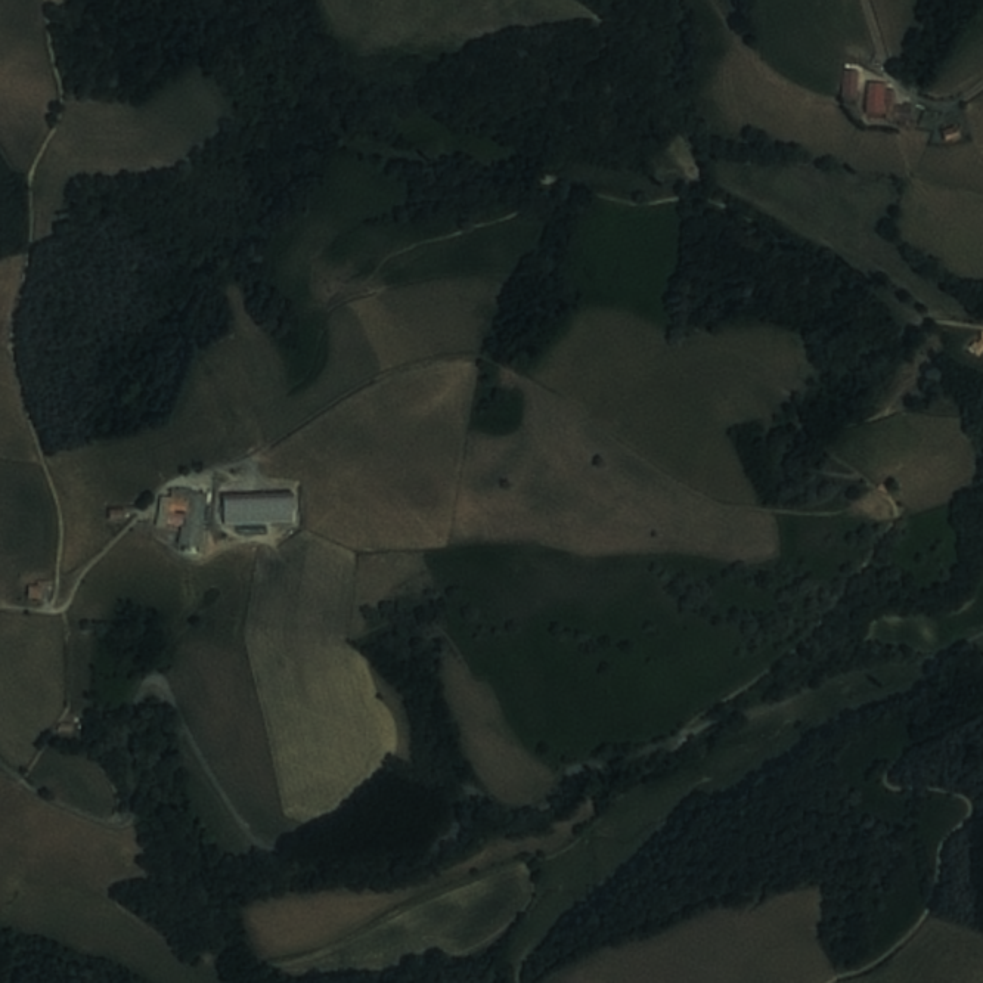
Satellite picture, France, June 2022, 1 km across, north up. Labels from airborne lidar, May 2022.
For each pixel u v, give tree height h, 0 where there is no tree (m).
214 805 0
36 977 11
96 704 10
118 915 0
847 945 19
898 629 0
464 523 0
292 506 0
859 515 0
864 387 16
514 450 0
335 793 0
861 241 0
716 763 0
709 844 18
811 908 0
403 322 0
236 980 20
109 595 0
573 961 8
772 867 14
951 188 0
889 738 0
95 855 0
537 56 20
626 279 0
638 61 19
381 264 0
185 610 0
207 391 0
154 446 0
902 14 0
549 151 27
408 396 0
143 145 0
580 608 0
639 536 0
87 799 0
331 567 0
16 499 0
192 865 22
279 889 17
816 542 0
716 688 0
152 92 16
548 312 20
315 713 0
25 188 7
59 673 0
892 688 0
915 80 6
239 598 0
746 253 27
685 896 13
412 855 16
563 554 0
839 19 0
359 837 25
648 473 0
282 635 0
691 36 24
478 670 0
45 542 0
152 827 21
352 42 0
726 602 0
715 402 0
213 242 16
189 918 18
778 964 0
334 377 0
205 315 13
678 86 31
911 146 0
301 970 0
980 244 0
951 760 16
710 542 0
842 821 15
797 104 0
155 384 18
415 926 0
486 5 0
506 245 0
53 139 0
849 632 17
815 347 17
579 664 0
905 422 0
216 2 21
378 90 7
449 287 0
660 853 15
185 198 6
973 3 27
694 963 0
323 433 0
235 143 21
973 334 0
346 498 0
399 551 0
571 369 0
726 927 0
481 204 18
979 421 13
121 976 12
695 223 19
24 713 0
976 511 25
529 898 0
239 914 17
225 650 0
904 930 0
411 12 0
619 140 19
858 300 27
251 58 17
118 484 0
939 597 17
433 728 13
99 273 16
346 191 0
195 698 0
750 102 0
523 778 0
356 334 0
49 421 14
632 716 0
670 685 0
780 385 0
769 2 0
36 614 0
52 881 0
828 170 14
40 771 0
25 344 14
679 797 0
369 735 0
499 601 0
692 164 0
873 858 19
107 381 23
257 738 0
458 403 0
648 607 0
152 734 27
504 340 18
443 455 0
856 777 0
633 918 17
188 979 0
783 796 19
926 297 0
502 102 21
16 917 0
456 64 13
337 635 0
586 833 13
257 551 0
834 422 18
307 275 0
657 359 0
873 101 0
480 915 0
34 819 0
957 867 15
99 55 22
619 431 0
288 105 19
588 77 18
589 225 0
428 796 26
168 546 0
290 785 0
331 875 26
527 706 0
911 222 0
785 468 10
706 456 0
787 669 18
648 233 0
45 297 9
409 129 0
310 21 13
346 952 0
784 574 9
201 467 10
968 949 0
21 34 0
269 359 0
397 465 0
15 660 0
